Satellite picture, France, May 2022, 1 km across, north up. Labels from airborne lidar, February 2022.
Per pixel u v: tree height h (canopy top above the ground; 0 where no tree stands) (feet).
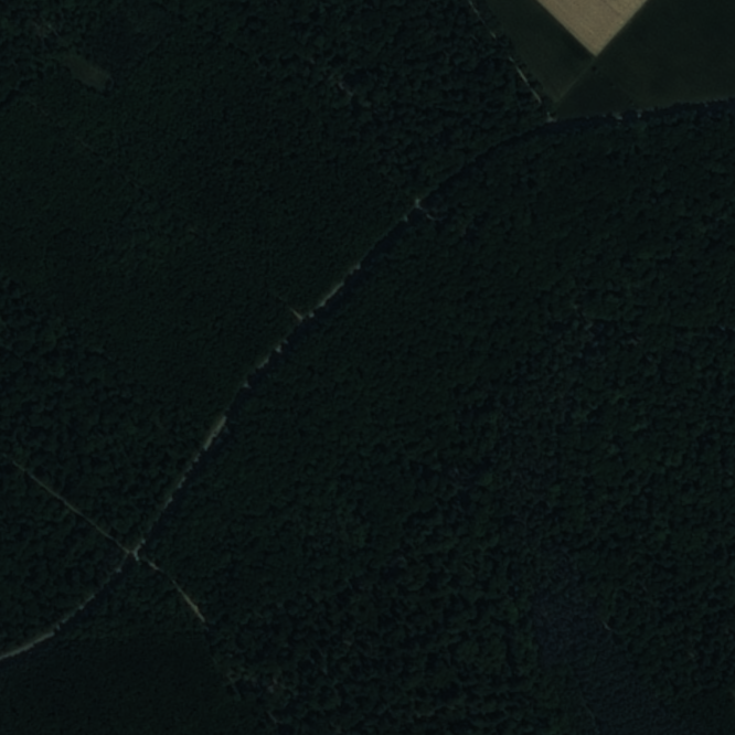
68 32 85
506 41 54
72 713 72
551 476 106
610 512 84
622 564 95
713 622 91
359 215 55
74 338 84
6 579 90
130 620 86
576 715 54
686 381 108
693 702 69
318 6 116
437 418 97
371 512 94
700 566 102
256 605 93
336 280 51
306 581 94
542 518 109
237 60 62
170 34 56
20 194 48
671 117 67
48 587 101
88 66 0
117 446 72
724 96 0
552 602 121
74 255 54
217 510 80
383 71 101
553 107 31
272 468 95
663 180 111
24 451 84
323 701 101
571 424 81
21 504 81
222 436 19
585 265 104
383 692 118
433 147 112
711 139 106
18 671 58
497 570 114
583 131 95
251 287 63
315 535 101
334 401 85
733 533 72
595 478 100
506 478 111
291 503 85
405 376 93
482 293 86
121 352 59
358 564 85
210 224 56
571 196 108
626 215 100
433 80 116
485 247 103
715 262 94
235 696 67
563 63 0
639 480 115
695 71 0
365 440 88
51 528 88
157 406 74
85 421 85
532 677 94
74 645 48
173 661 52
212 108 59
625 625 94
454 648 117
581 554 87
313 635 112
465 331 84
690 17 0
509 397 100
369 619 37
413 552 37
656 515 106
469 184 108
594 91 0
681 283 101
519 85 102
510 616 97
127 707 70
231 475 82
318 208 58
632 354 105
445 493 71
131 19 51
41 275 44
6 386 77
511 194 113
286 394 85
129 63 33
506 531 129
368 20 110
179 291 64
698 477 100
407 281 101
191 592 84
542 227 103
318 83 110
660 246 103
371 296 89
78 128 39
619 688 63
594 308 96
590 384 102
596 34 0
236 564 91
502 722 111
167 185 55
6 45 75
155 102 49
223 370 59
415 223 81
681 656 90
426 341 82
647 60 0
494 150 98
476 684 125
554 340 105
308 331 81
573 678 62
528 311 88
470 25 108
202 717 56
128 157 40
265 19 113
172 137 49
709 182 112
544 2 0
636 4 0
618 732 61
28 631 88
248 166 62
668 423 98
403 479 107
